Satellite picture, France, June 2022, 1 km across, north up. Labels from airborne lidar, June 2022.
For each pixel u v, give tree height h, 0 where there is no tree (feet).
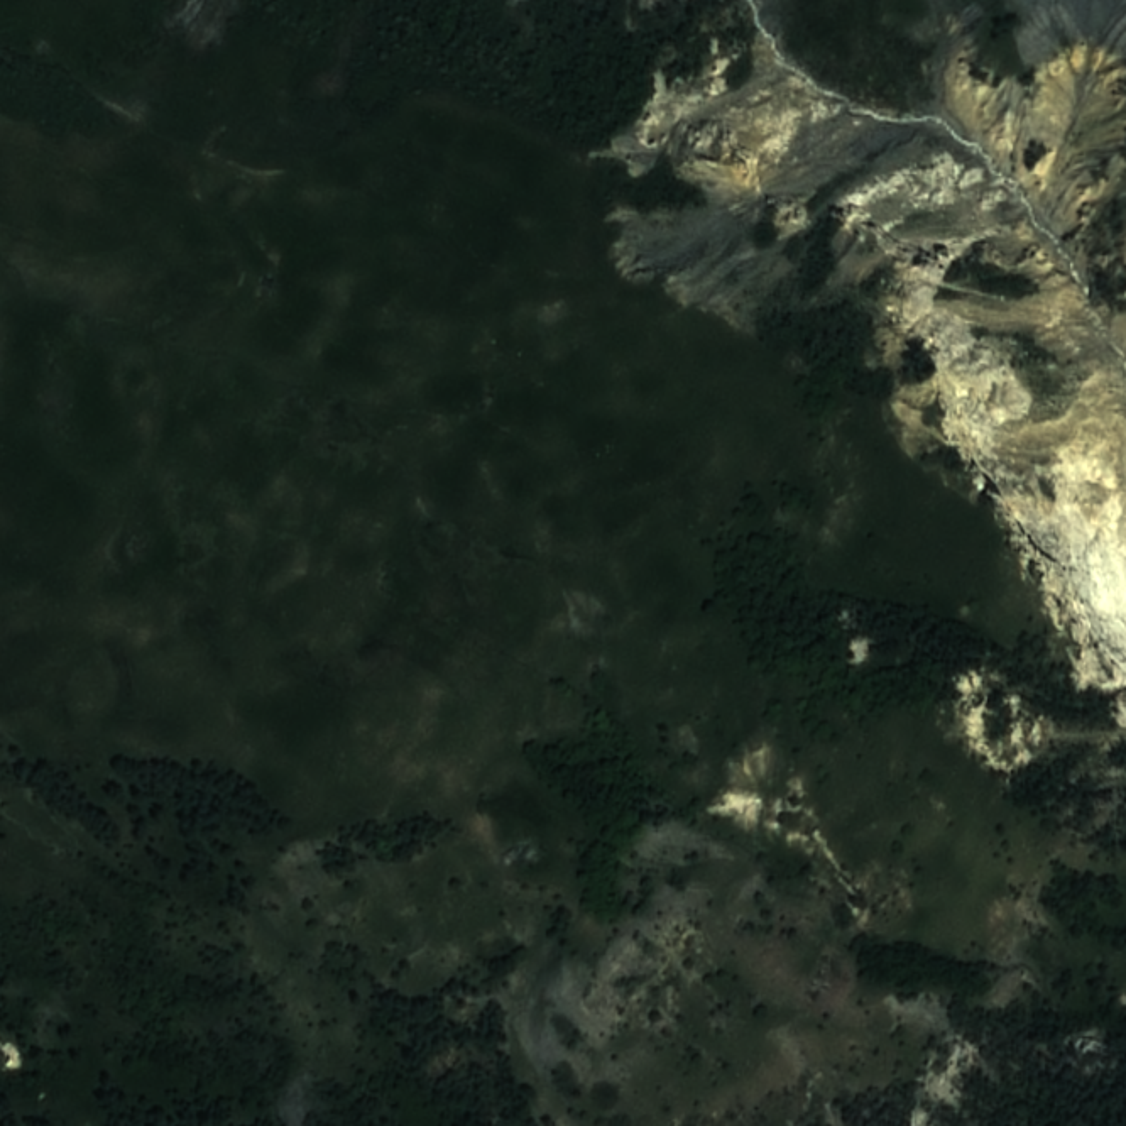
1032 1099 60
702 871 0
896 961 57
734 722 0
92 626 0
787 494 29
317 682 0
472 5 26
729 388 0
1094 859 51
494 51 26
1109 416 0
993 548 0
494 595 0
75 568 0
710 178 0
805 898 0
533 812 0
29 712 0
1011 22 58
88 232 0
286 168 0
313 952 0
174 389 0
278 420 0
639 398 0
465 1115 45
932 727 0
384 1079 35
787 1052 0
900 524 0
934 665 34
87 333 0
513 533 0
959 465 39
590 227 0
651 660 0
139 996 29
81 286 0
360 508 0
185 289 0
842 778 0
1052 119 0
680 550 0
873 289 29
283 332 0
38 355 0
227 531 0
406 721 0
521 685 0
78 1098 0
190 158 0
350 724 0
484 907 0
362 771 0
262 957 0
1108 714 33
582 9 31
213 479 0
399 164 0
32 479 0
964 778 0
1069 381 0
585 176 0
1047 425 0
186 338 0
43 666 0
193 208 0
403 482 0
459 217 0
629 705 0
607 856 39
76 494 0
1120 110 0
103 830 77
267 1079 38
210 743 0
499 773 0
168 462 0
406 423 0
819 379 37
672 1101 0
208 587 0
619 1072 0
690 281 0
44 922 24
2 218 0
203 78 0
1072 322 0
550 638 0
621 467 0
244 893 66
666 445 0
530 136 0
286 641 0
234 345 0
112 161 0
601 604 0
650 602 0
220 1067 22
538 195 0
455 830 20
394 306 0
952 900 0
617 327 0
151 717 0
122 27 0
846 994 0
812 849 0
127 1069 41
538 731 0
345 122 0
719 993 0
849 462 0
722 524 21
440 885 0
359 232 0
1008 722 43
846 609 27
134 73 0
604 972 0
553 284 0
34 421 0
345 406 0
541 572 0
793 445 0
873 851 0
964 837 0
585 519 0
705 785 0
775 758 0
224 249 0
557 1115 0
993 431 0
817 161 0
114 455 0
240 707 0
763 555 39
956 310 0
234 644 0
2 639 0
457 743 0
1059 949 0
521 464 0
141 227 0
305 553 0
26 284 0
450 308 0
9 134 0
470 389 0
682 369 0
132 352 0
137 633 0
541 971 0
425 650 0
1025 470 0
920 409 0
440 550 0
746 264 0
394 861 44
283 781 0
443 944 0
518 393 0
